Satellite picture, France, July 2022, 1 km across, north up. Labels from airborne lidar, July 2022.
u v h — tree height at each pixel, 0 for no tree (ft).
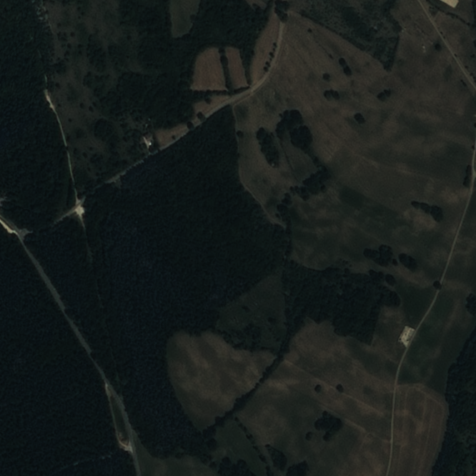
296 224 0
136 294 55
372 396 0
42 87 28
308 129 41
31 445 58
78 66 0
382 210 0
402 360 0
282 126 47
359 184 0
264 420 0
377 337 0
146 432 41
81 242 41
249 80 22
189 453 52
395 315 0
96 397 51
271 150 30
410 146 0
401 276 0
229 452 0
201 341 0
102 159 31
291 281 40
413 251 0
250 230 26
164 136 0
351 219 0
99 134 30
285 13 46
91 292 60
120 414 0
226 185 33
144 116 18
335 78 0
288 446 0
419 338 0
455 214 0
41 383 70
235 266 25
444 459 45
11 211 52
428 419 0
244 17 27
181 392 0
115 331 66
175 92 38
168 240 51
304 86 0
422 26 0
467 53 0
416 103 0
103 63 25
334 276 39
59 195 41
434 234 0
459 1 0
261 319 0
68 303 52
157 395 89
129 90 35
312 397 0
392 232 0
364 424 0
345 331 20
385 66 22
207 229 52
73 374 70
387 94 31
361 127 0
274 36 0
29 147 56
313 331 0
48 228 51
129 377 42
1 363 73
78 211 0
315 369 0
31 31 29
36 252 52
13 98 70
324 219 0
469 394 25
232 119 34
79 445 48
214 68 0
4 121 70
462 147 0
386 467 0
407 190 0
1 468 69
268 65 29
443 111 0
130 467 49
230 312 0
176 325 70
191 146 61
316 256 0
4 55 71
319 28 0
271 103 0
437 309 0
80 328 32
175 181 33
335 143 0
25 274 53
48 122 56
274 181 0
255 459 0
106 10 0
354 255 0
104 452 61
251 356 0
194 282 38
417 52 0
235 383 0
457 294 0
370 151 0
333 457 0
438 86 0
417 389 0
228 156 20
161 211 59
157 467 0
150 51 26
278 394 0
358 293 52
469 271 0
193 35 22
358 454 0
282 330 0
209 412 0
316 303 26
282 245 34
